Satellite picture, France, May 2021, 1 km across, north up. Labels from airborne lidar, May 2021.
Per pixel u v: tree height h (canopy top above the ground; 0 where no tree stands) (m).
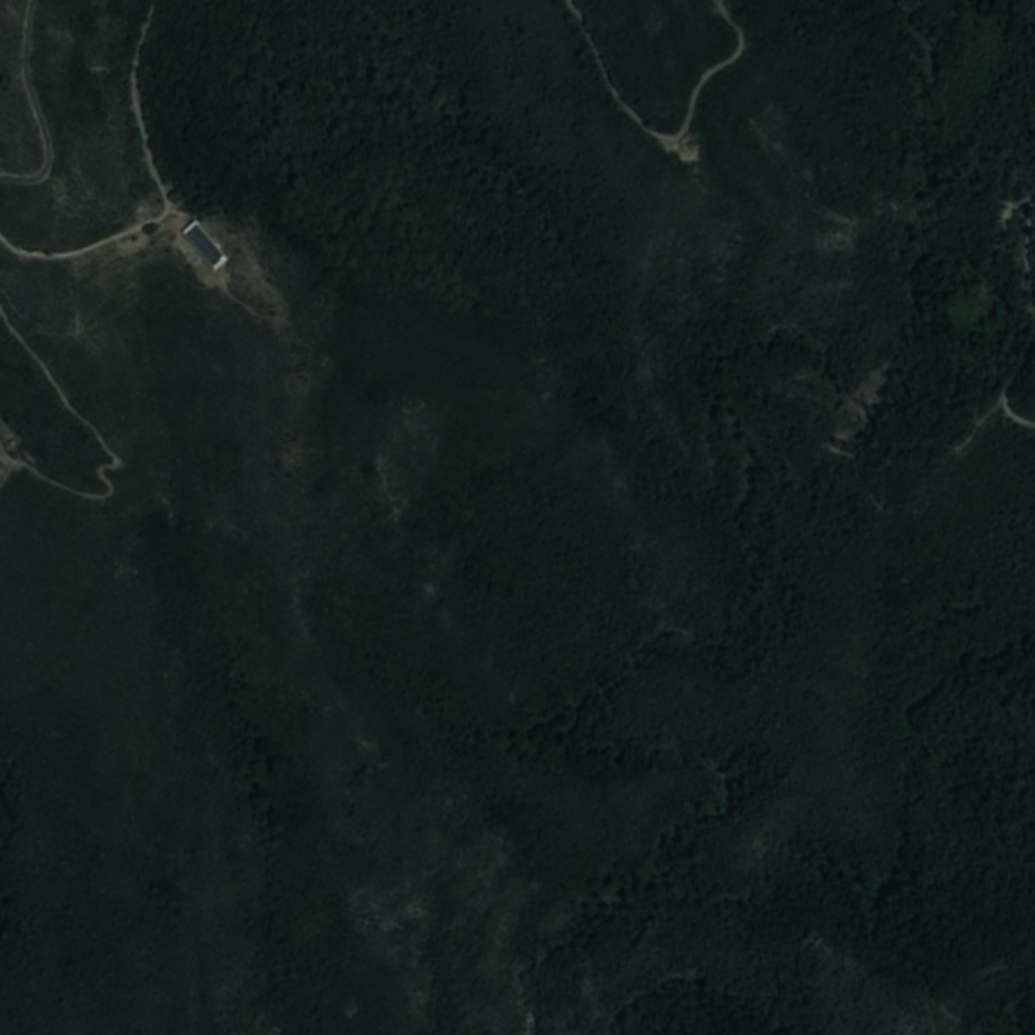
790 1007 15
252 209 8
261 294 0
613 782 10
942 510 7
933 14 14
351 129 12
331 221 15
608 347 9
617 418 19
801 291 9
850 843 9
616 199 7
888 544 6
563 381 7
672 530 6
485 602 6
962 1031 7
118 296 0
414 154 11
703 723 8
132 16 7
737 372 15
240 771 17
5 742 10
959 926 20
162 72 12
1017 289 16
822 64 6
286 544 0
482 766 9
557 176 11
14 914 14
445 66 11
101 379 0
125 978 6
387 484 7
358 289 6
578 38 6
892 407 18
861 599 6
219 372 0
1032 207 13
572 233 12
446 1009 11
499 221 12
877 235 8
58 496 0
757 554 23
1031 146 7
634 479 10
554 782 6
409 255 13
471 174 14
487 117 7
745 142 6
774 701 6
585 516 8
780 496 8
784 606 9
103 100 10
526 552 8
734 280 6
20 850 7
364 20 9
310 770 6
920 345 17
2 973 11
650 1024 17
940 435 12
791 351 15
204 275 0
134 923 6
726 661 18
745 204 6
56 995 7
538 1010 8
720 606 8
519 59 7
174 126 11
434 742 6
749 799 22
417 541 6
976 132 7
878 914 17
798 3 11
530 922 13
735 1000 25
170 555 6
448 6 8
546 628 10
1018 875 13
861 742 12
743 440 19
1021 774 16
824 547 9
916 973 20
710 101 8
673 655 9
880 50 12
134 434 0
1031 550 8
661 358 11
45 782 6
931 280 23
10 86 8
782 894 17
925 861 21
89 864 6
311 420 0
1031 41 8
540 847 11
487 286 9
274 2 7
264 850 16
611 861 7
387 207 14
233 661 7
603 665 13
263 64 17
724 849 9
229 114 15
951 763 10
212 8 11
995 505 7
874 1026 8
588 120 6
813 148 13
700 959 12
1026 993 15
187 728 6
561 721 19
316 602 6
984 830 15
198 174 14
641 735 6
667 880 13
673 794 11
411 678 8
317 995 7
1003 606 13
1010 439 8
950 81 6
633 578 15
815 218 6
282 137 9
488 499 8
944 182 19
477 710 6
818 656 7
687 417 14
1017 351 15
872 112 6
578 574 11
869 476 12
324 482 6
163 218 0
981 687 20
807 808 7
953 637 15
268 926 14
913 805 25
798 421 9
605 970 10
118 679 0
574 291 14
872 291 7
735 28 11
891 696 16
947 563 16
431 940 9
